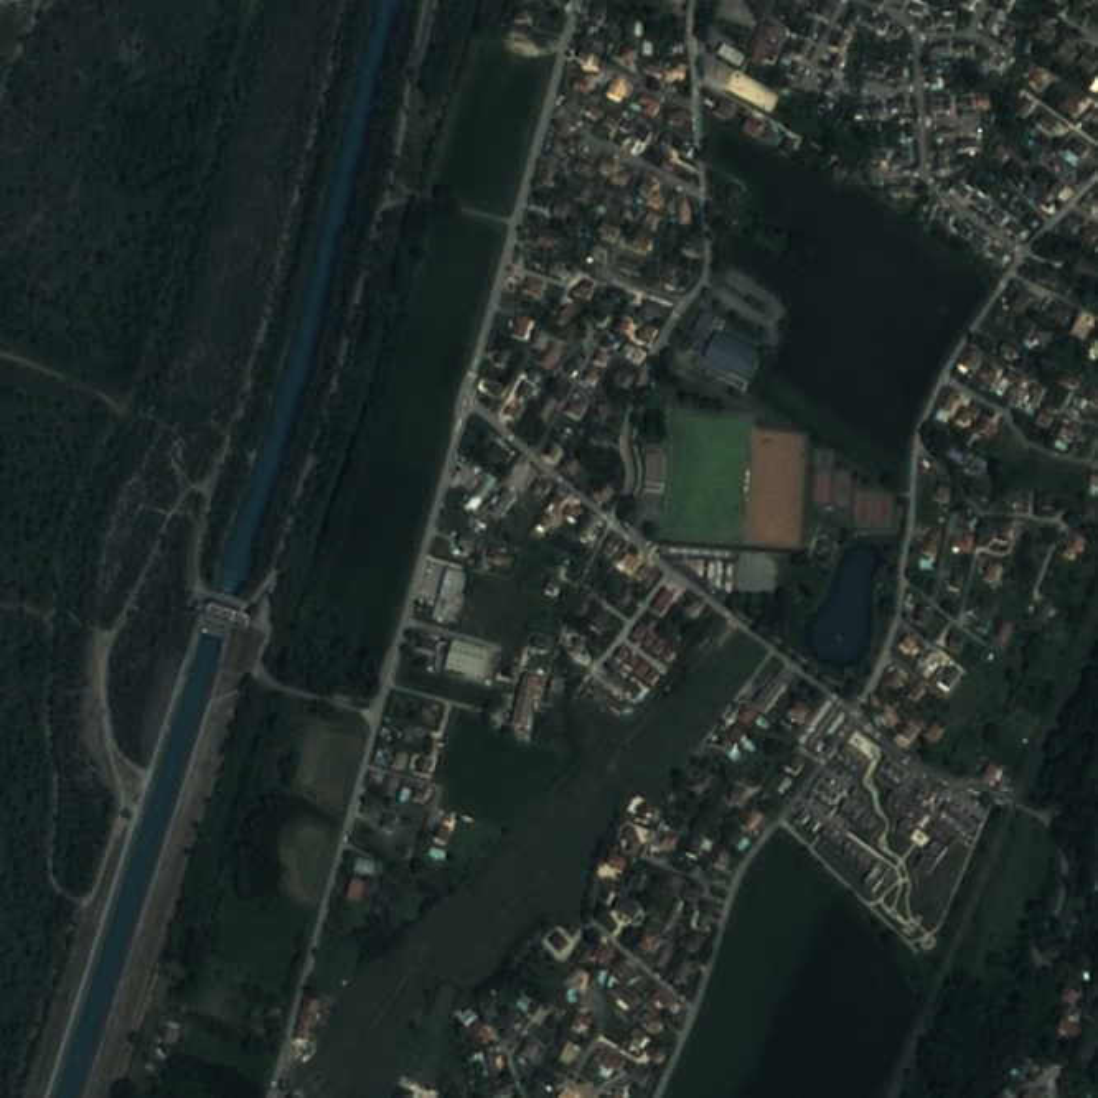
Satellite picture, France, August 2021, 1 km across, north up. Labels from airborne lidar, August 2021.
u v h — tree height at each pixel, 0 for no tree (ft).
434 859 0
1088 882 58
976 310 0
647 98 0
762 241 0
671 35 42
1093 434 23
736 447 0
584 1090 0
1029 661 27
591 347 0
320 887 0
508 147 0
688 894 23
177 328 35
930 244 0
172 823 0
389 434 0
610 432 19
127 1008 0
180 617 0
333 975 0
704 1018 0
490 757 0
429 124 0
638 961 0
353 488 43
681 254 29
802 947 0
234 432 25
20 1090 35
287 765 41
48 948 26
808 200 0
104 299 30
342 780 0
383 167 29
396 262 19
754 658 0
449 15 24
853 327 0
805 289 0
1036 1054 35
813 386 0
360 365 26
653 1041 18
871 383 0
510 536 22
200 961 51
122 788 0
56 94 24
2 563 28
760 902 0
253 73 29
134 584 21
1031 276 31
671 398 0
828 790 0
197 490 25
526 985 21
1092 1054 0
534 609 0
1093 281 44
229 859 37
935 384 0
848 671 39
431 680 0
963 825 0
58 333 17
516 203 0
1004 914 0
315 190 52
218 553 52
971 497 51
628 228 37
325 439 39
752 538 0
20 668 22
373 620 0
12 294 32
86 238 28
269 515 43
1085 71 21
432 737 24
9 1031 36
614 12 22
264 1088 38
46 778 26
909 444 0
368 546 0
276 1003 25
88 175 22
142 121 30
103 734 0
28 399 21
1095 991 35
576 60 22
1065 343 18
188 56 30
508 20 19
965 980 42
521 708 0
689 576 0
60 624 40
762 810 20
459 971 0
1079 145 0
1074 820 55
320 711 54
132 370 25
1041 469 0
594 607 22
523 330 0
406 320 36
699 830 29
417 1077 0
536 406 22
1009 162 24
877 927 44
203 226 45
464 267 0
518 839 0
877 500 0
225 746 24
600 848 25
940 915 0
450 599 0
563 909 0
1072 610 31
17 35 0
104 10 47
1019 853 0
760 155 0
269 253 17
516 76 0
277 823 67
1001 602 0
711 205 28
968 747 0
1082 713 88
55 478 21
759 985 0
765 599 39
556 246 22
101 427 31
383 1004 0
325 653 46
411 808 0
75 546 23
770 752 36
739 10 0
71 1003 0
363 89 0
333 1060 0
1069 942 72
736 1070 0
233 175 18
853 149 0
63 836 38
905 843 0
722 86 0
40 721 46
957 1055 57
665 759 0
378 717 0
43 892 23
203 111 36
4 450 30
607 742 0
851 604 0
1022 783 0
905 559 0
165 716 0
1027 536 22
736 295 0
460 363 0
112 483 18
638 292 0
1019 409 19
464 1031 39
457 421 0
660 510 0
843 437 0
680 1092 0
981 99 0
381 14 0
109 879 0
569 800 0
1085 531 39
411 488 0
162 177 43
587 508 22
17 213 28
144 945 0
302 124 32
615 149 0
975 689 0
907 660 0
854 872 0
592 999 0
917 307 0
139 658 25
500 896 0
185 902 33
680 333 24
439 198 52
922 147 0
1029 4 18
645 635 0
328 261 0
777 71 22
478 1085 29
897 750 0
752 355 0
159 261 40
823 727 0
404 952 0
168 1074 30
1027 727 0
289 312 57
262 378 42
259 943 0
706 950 41
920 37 0
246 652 0
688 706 0
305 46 22
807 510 0
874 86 0
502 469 31
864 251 0
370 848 20
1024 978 45
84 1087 0
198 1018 23
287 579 36
